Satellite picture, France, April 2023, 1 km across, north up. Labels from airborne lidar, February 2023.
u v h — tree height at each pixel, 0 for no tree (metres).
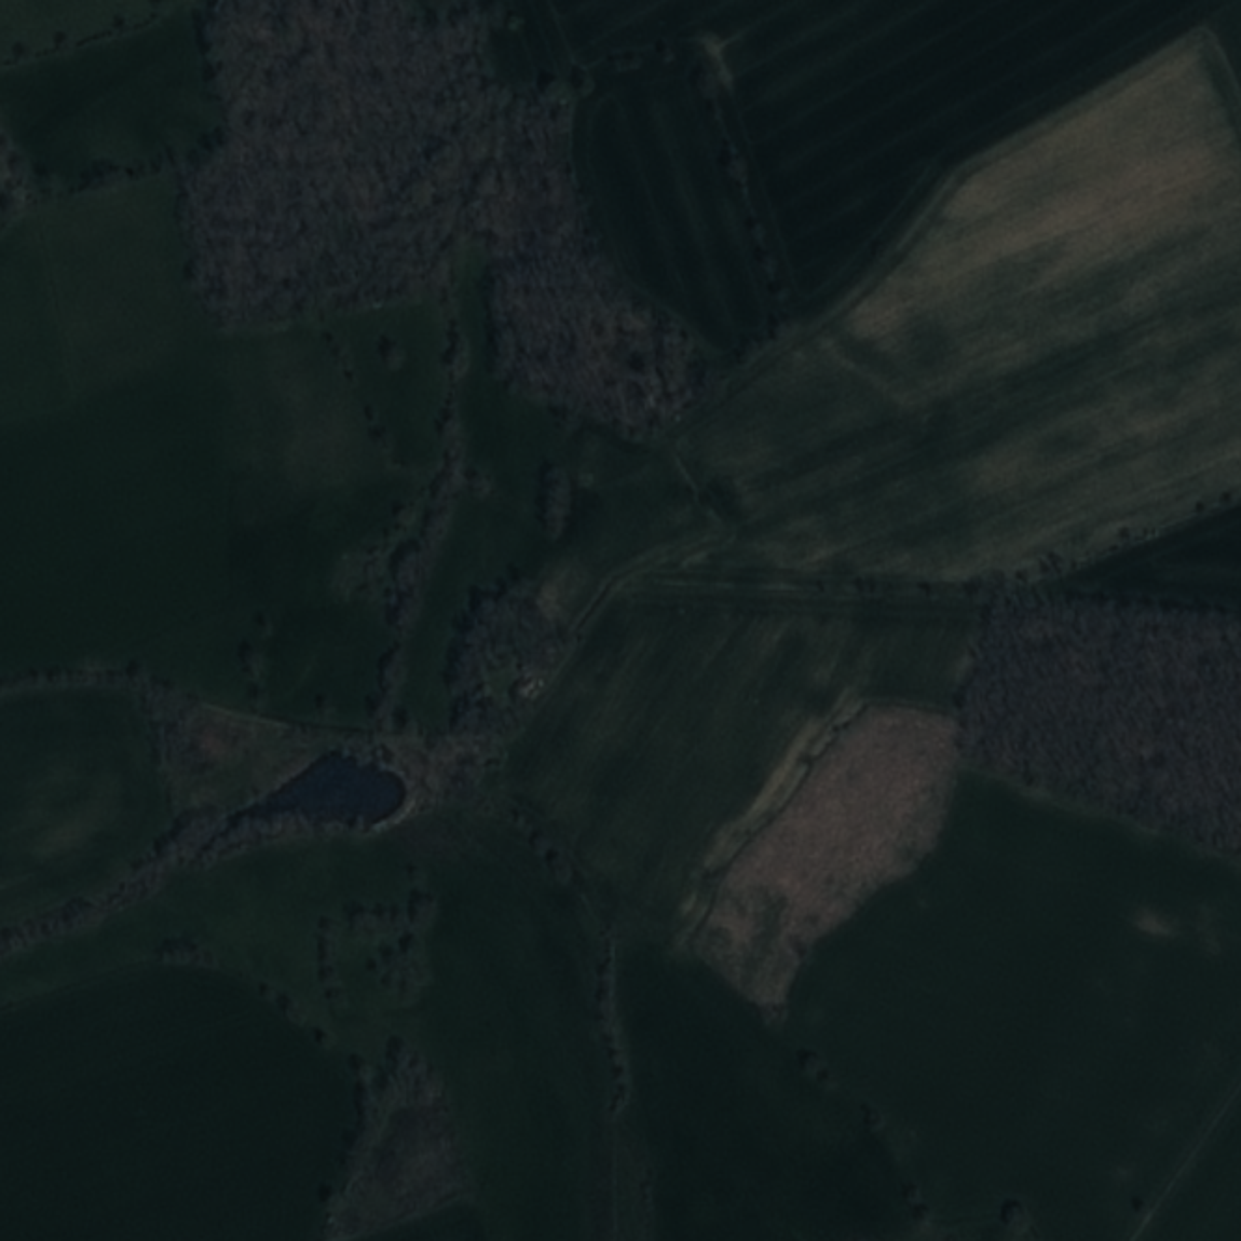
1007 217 0
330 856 0
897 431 0
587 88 18
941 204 0
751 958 0
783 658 0
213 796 0
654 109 0
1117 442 0
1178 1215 0
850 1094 0
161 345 0
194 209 19
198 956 22
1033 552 0
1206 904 0
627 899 0
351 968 0
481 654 18
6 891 0
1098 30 0
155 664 0
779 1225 0
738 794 0
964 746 17
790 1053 0
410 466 0
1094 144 0
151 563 0
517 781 0
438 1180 0
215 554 0
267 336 0
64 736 0
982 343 0
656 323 15
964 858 0
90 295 0
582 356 28
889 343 0
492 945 0
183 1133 0
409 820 0
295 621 0
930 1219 14
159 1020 0
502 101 21
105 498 0
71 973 0
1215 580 0
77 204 0
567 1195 0
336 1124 0
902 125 0
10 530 0
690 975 0
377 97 27
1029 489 0
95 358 0
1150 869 0
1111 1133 0
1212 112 0
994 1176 0
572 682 0
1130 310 0
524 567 0
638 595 0
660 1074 0
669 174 0
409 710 0
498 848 0
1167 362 0
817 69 0
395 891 0
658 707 0
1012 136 0
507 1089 0
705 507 0
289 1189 0
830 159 0
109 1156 0
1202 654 26
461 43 13
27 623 0
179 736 16
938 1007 0
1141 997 0
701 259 0
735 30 0
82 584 0
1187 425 0
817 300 0
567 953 0
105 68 0
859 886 0
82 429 0
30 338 0
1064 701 25
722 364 0
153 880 12
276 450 0
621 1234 0
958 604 0
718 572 0
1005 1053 0
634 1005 0
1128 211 0
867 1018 0
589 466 0
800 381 0
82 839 0
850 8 0
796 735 0
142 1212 0
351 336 0
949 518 0
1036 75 0
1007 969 0
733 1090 0
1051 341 0
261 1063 0
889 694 0
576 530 0
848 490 0
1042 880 0
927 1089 0
